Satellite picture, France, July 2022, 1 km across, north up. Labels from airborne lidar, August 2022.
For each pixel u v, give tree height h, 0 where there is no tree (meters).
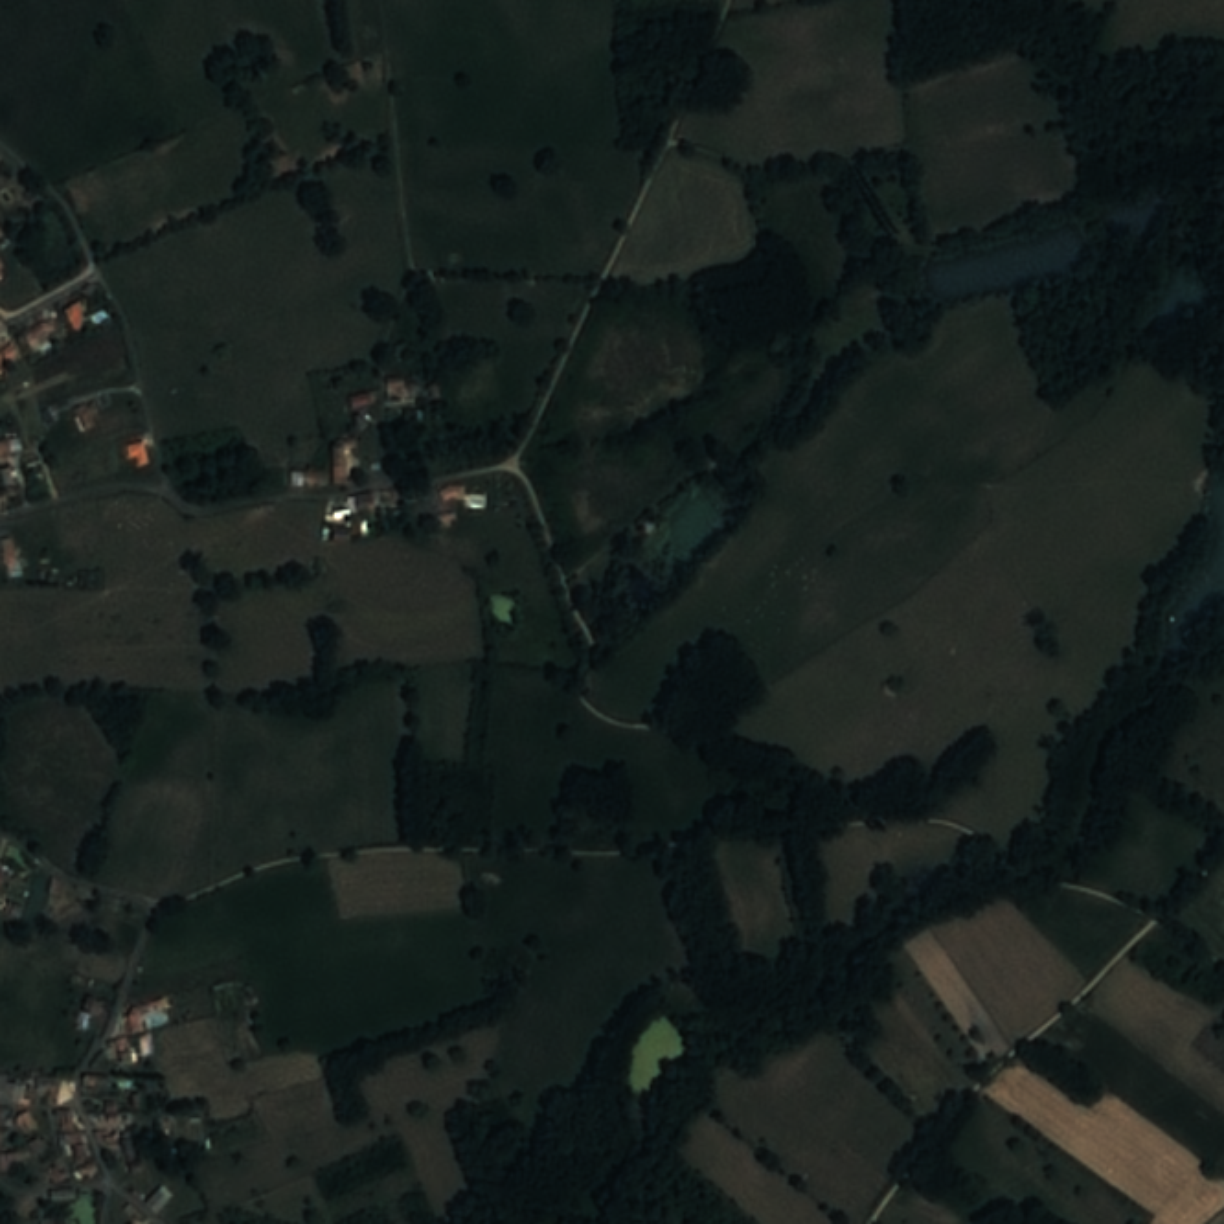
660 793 0
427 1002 0
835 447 0
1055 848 18
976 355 0
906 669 0
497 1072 10
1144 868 0
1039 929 0
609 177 0
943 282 0
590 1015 0
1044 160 0
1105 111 18
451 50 0
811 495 0
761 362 0
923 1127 16
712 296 19
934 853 0
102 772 0
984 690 0
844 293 11
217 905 0
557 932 0
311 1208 11
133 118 0
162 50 0
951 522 0
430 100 0
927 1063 0
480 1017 13
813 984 22
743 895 0
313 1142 0
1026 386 0
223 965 0
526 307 15
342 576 0
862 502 0
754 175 10
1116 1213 0
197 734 0
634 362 0
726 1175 0
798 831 25
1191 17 0
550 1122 21
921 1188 14
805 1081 0
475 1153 18
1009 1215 22
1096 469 0
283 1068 0
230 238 0
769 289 24
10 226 12
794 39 0
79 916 0
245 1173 0
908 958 0
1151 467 0
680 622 0
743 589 0
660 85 12
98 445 0
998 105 0
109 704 15
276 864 0
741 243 0
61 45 0
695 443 16
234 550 0
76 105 0
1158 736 17
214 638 21
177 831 0
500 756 0
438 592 0
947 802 17
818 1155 0
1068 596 0
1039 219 21
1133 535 0
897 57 18
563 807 16
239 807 0
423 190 0
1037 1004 0
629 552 24
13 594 0
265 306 0
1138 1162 0
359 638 0
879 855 0
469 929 0
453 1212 17
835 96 0
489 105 0
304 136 0
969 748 17
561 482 0
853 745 0
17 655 0
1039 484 0
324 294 0
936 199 0
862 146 0
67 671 0
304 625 0
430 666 0
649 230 0
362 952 0
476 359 22
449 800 10
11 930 12
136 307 0
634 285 17
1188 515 0
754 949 0
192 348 0
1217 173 22
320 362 0
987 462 0
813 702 0
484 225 0
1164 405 0
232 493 14
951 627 0
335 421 0
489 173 0
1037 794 0
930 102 0
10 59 0
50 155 0
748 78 21
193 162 0
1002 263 0
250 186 11
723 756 22
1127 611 0
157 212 0
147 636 0
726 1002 24
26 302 0
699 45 23
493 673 6
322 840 0
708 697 24
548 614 0
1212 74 21
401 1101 0
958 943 0
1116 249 15
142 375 0
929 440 0
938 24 21
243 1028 0
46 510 0
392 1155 6
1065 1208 0
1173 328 24
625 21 7
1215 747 0
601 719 0
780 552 0
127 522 0
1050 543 0
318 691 20
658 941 0
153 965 0
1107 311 6
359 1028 0
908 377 0
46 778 0
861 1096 0
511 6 0
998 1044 0
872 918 23
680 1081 18
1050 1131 0
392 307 17
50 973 0
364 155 15
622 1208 27
